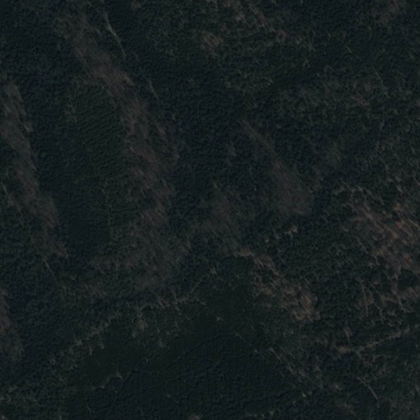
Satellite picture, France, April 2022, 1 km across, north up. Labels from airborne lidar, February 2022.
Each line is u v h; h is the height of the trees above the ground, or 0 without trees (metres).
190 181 30
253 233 18
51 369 25
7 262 31
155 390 16
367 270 6
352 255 31
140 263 24
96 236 12
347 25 24
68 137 25
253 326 10
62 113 9
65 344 13
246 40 10
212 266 10
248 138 22
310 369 19
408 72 22
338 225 28
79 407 21
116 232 9
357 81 11
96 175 13
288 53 9
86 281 17
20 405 18
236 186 24
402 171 28
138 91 16
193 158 30
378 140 11
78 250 20
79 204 10
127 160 19
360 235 30
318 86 18
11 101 24
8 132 26
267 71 24
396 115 17
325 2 18
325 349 21
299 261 27
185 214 23
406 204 30
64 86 16
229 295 10
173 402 20
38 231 18
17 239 11
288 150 23
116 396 21
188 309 8
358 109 9
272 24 19
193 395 21
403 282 19
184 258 21
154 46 12
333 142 13
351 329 19
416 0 11
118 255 18
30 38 15
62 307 12
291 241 25
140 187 22
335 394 25
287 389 25
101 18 29
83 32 27
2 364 21
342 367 26
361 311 6
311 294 21
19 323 17
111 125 13
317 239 29
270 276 29
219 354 27
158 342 9
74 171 11
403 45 16
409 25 20
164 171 30
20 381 20
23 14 16
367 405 14
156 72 26
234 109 27
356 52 12
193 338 15
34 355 22
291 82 17
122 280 13
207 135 20
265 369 21
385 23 17
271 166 24
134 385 20
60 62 22
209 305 10
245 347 16
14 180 27
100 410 22
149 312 14
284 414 22
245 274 9
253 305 11
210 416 21
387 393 10
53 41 18
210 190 26
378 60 12
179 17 24
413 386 11
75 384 14
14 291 24
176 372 18
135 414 22
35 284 18
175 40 23
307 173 21
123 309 26
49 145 14
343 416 21
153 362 12
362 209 30
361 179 13
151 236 26
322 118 11
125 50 13
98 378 16
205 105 25
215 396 24
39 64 21
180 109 25
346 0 17
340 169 13
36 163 24
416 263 28
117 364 15
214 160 28
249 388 24
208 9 13
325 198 16
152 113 28
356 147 11
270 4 18
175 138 28
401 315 8
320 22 23
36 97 20
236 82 25
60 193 16
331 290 27
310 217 21
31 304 23
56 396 28
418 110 16
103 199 11
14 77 23
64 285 10
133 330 7
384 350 11
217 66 13
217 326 14
